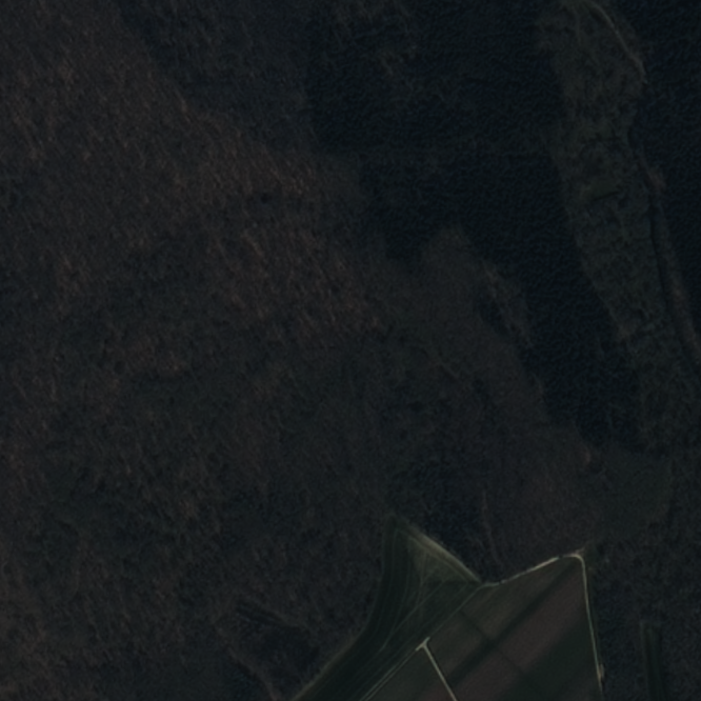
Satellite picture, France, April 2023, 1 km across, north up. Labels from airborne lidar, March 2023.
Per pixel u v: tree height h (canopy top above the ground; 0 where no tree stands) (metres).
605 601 16
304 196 20
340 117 24
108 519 20
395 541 0
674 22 27
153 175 23
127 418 24
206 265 22
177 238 21
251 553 22
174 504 19
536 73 28
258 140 20
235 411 24
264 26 23
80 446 25
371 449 25
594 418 23
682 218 26
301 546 25
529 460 20
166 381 23
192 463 26
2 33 14
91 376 25
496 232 28
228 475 19
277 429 27
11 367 24
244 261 24
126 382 28
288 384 25
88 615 29
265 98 24
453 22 19
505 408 22
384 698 0
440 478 21
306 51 22
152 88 19
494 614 0
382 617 0
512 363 20
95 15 20
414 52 18
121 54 22
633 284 18
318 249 11
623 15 14
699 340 18
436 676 0
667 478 18
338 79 20
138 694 18
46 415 27
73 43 24
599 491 18
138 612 23
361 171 18
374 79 17
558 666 0
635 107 17
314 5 17
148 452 24
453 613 0
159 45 19
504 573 14
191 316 23
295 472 24
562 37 19
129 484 26
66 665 21
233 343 22
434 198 28
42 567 24
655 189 25
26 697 25
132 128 18
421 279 19
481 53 22
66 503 18
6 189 21
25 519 27
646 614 12
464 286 22
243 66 26
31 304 17
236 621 0
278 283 19
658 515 18
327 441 27
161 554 24
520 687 0
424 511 18
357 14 20
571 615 0
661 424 17
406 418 31
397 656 0
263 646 0
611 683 14
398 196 18
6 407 17
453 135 24
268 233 24
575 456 23
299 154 26
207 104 17
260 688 19
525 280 21
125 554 15
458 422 25
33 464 26
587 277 22
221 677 21
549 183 29
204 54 20
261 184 22
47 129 25
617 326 18
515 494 14
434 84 22
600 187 0
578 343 22
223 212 19
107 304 19
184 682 18
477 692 0
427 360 26
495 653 0
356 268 25
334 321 26
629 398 23
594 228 19
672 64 25
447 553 0
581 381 20
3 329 26
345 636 23
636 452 17
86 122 24
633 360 21
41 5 22
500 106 20
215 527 25
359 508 25
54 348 18
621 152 20
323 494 24
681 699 14
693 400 9
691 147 15
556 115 25
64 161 27
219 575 18
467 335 23
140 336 20
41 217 24
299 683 14
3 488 27
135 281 21
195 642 22
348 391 26
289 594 26
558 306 25
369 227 24
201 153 19
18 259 25
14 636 0
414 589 0
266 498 13
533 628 0
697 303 24
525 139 20
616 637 14
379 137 19
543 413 18
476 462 19
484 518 15
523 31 27
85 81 21
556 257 27
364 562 23
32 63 22
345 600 27
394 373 26
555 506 22
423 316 20
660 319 14
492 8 16
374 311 30
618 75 18
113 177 23
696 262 21
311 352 23
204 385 24
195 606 18
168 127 20
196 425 20
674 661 14
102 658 25
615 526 18
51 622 24
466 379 13
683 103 19
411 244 16
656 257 12
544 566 0
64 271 23
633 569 8
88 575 28
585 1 0
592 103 11
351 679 0
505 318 18
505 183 22
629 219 17
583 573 0
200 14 15
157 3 18
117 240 26
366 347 23
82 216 23
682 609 16
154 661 23
